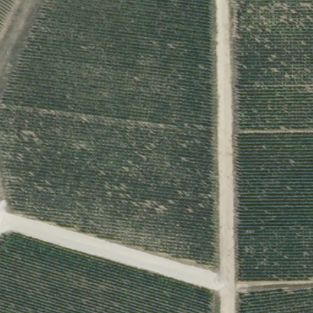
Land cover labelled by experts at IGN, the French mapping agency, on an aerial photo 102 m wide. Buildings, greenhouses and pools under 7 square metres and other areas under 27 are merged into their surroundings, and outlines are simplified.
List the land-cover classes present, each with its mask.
<instances>
[{"label":"vineyard","instance_id":"1","mask_svg":"<svg viewBox=\"0 0 313 313\"><path fill-rule=\"evenodd\" d=\"M218 0H0V202H6L7 213L46 221L81 234L93 235L117 245L177 260L179 263L194 265L215 273L220 268L216 77ZM229 2L231 53L234 149L232 163L235 181L234 290L238 293L236 313H313V0H226ZM0 313H220L218 292L79 252L76 249L57 246L18 232H6L0 236Z\"/></svg>","mask_w":313,"mask_h":313},{"label":"pervious surface","instance_id":"2","mask_svg":"<svg viewBox=\"0 0 313 313\"><path fill-rule=\"evenodd\" d=\"M229 2L226 0H218L216 77L220 268L215 273L218 275V281L226 282L225 287H221L218 292L220 313H236L238 293L234 290L235 181L232 163L234 149L231 53Z\"/></svg>","mask_w":313,"mask_h":313},{"label":"impervious surface","instance_id":"3","mask_svg":"<svg viewBox=\"0 0 313 313\"><path fill-rule=\"evenodd\" d=\"M6 232H18L57 246L76 249L79 252L218 292L221 287H225L226 282L218 281V275L215 273L194 265L179 263L177 260L117 245L93 235L81 234L46 221L7 213L6 202H0V236Z\"/></svg>","mask_w":313,"mask_h":313}]
</instances>
